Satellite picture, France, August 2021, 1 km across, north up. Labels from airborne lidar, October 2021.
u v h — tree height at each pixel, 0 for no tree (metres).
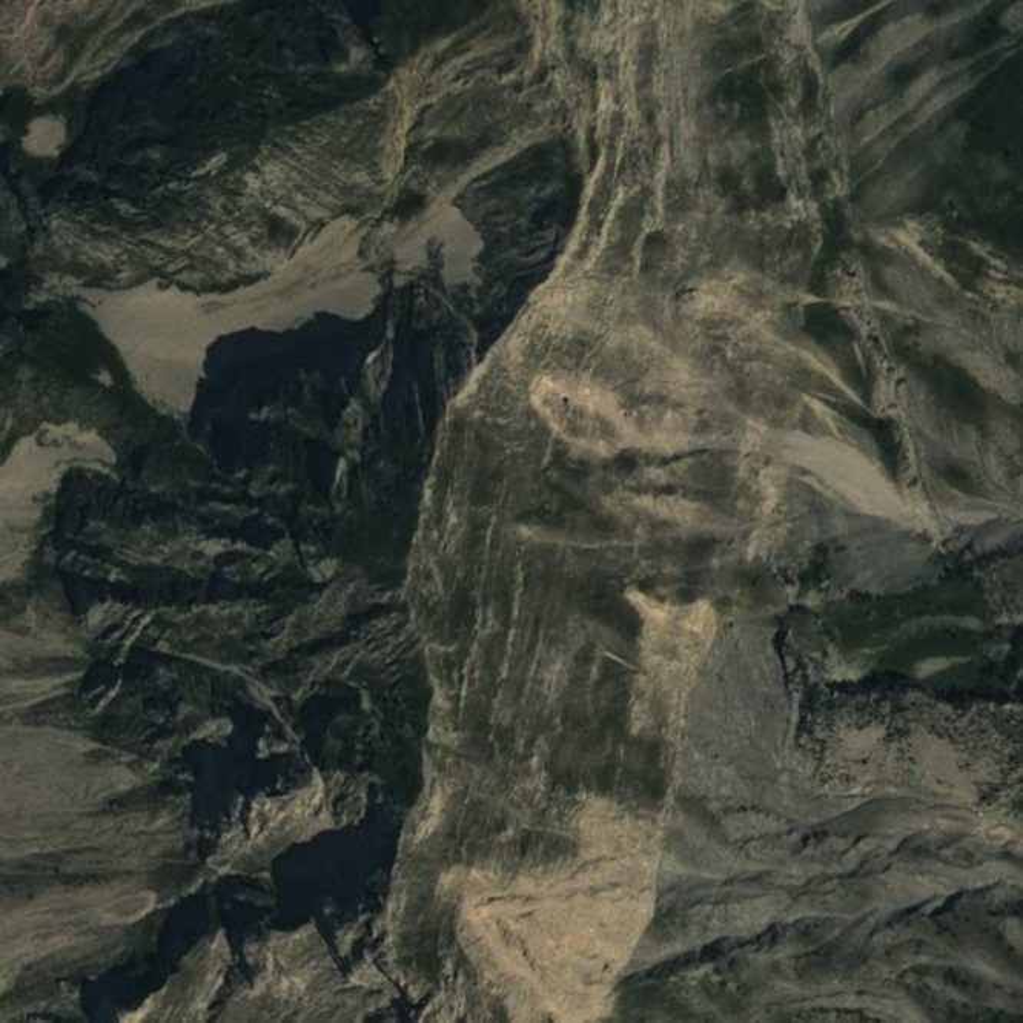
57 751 0
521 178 0
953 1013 6
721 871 0
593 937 0
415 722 0
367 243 0
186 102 0
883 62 0
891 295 0
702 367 0
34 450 0
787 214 0
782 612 0
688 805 0
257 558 0
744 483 0
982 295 0
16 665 0
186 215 0
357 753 0
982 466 0
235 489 0
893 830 0
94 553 0
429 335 0
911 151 0
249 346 0
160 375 0
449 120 0
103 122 0
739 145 0
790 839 0
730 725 0
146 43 0
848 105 0
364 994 0
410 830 0
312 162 0
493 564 0
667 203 0
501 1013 0
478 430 0
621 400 0
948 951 0
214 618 0
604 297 0
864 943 0
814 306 0
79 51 0
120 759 0
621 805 0
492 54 0
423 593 0
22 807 0
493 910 0
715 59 0
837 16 0
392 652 0
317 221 0
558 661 0
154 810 0
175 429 0
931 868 0
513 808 0
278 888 0
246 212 0
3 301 0
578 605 0
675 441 0
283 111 0
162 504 0
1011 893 0
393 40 0
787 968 0
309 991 0
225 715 0
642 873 0
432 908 0
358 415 0
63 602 0
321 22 0
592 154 0
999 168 0
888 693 7
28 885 0
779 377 0
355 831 0
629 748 0
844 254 0
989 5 0
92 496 0
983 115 0
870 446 0
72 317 0
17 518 0
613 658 0
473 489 0
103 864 0
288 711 0
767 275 0
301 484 0
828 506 0
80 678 0
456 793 0
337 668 0
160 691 0
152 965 0
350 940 0
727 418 0
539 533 0
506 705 0
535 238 0
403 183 0
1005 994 0
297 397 0
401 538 0
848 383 0
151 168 0
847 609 0
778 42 0
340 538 0
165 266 0
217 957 0
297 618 0
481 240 0
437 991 0
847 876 0
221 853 0
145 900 0
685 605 0
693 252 0
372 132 0
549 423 0
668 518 0
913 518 0
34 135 0
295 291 0
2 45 0
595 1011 0
